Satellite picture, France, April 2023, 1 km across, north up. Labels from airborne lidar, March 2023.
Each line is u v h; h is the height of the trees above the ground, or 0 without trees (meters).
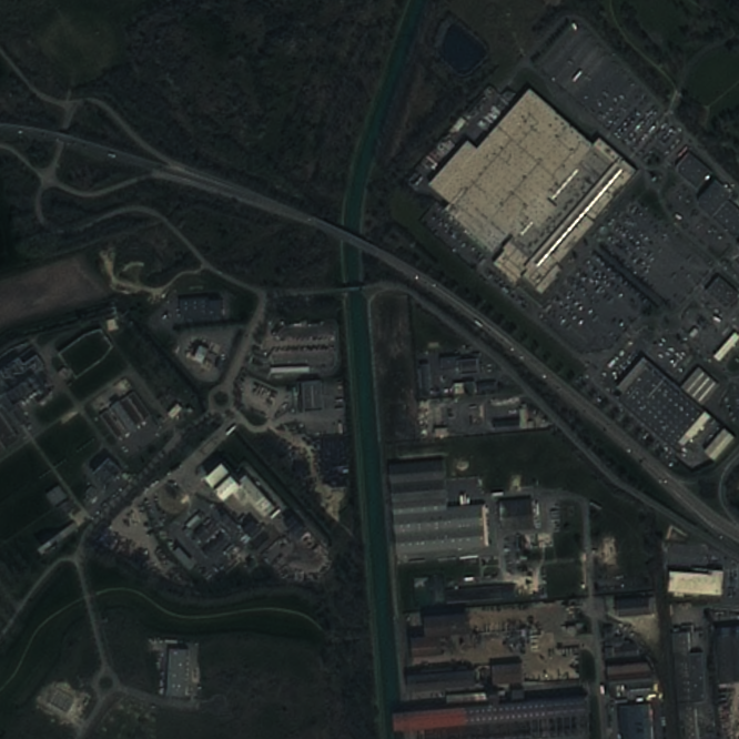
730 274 0
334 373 0
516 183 0
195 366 0
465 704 0
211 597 29
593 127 0
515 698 0
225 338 0
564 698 0
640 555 0
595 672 0
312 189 6
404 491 0
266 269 0
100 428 0
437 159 0
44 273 0
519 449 0
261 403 0
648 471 0
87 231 6
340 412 0
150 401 0
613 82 0
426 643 0
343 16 0
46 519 0
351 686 13
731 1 12
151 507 0
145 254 0
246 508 0
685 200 0
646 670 0
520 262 0
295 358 0
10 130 0
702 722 0
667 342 0
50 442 0
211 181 0
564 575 0
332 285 0
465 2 0
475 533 0
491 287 0
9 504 0
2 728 0
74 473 0
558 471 0
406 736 0
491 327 0
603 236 0
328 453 0
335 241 0
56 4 0
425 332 0
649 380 0
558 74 0
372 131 0
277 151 0
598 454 7
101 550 20
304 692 0
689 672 0
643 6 0
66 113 0
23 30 0
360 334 0
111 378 0
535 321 0
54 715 0
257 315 0
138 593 0
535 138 0
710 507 0
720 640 0
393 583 0
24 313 0
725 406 0
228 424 0
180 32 0
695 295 0
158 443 0
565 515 0
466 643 0
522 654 0
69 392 0
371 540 0
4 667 0
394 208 0
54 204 8
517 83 0
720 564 0
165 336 0
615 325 0
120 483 0
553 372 0
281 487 0
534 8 0
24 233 12
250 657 0
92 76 0
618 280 0
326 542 0
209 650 0
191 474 0
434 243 0
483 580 0
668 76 0
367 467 0
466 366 0
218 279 0
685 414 0
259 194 0
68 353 0
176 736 0
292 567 0
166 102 11
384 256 0
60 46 0
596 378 0
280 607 0
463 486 0
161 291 0
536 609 0
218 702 0
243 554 0
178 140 10
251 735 0
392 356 0
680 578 0
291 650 0
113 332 0
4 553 0
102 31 0
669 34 0
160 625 0
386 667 0
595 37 0
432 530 0
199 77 0
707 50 0
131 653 0
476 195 0
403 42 0
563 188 0
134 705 0
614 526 0
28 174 6
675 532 0
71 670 0
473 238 0
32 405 0
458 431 0
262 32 0
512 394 0
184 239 0
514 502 0
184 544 0
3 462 0
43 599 0
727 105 0
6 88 0
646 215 0
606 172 0
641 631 0
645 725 0
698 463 0
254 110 0
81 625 0
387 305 0
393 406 0
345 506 0
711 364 0
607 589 0
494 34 0
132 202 6
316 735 0
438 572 0
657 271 0
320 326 0
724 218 0
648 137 0
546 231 0
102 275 0
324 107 0
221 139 9
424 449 0
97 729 0
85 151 0
